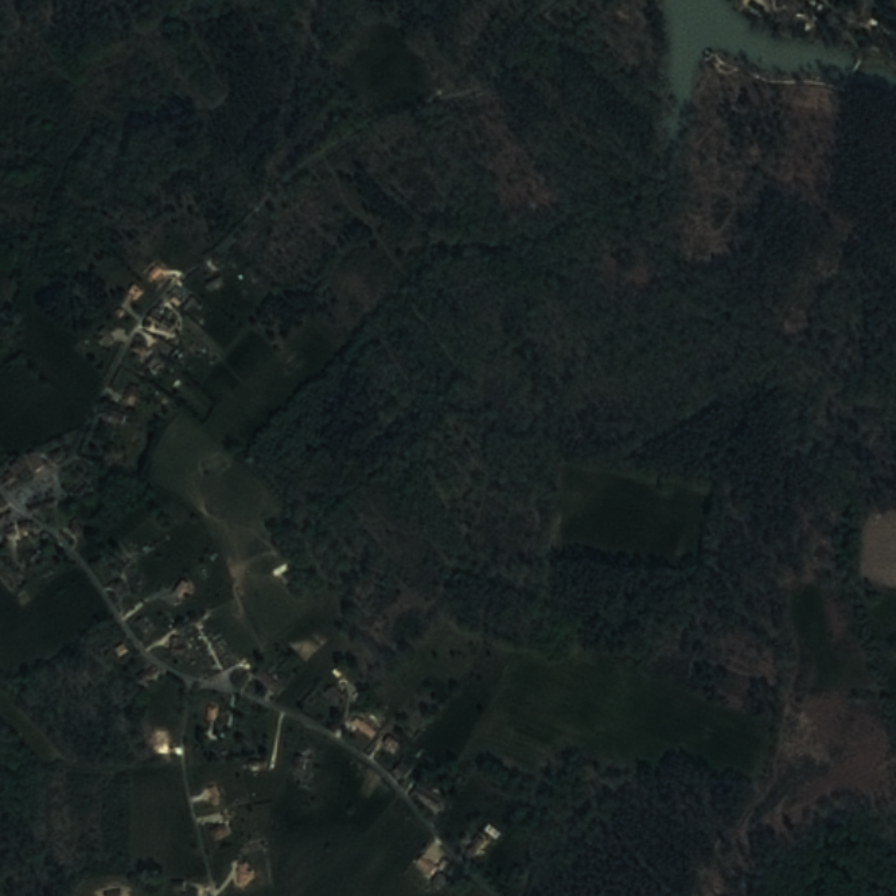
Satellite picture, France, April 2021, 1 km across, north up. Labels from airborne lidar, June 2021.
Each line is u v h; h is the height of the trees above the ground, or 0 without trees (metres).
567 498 0
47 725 16
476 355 18
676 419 18
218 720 8
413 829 0
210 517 0
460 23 20
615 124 22
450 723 0
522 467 25
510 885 6
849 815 21
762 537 23
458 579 14
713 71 9
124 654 7
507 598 24
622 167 21
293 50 19
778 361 22
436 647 0
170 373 9
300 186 21
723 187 0
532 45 21
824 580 18
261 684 8
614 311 20
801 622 0
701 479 26
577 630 23
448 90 17
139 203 12
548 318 22
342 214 12
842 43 16
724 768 0
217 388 0
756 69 10
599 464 17
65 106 7
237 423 0
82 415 0
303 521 8
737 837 10
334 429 16
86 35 27
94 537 14
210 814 0
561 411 20
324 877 0
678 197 18
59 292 20
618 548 0
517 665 0
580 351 21
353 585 15
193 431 0
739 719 0
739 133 22
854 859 28
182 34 27
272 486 6
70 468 6
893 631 0
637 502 0
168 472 0
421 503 17
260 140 16
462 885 17
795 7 12
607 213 25
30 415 0
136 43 10
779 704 18
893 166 23
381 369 18
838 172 23
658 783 21
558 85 24
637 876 21
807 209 14
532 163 18
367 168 12
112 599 9
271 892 0
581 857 16
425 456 16
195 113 24
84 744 23
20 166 10
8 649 0
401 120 19
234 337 0
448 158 15
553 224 27
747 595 24
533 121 25
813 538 14
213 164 6
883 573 0
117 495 16
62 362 0
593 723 0
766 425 24
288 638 0
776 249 20
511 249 24
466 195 20
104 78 7
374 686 15
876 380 24
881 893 21
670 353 24
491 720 0
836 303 19
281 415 9
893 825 18
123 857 9
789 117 9
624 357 21
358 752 0
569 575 25
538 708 0
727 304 23
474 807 0
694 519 0
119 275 0
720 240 0
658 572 23
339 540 9
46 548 14
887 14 20
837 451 18
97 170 16
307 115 22
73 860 8
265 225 6
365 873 0
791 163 12
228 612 0
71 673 17
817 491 21
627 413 7
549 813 22
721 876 13
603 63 21
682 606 19
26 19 25
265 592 0
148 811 0
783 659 23
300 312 14
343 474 8
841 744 0
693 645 14
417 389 8
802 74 12
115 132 8
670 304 24
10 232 9
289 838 0
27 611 0
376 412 21
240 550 0
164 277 0
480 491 7
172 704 0
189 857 0
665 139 9
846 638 0
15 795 18
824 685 0
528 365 23
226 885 0
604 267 15
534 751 0
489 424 7
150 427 7
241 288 0
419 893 0
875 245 23
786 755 0
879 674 13
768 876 21
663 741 0
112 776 8
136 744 10
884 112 24
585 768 18
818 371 22
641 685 0
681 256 17
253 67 9
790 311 0
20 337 8
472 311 18
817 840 20
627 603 11
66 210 6
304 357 0
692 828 20
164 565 0
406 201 11
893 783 6
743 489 24
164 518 14
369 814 0
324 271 11
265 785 0
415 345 12
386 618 7
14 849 25
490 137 9
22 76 10
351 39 24
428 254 10
